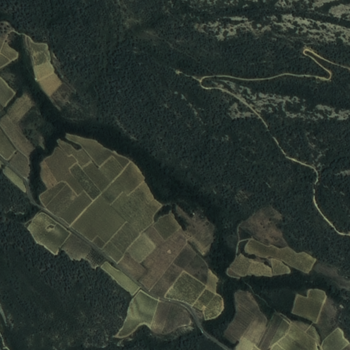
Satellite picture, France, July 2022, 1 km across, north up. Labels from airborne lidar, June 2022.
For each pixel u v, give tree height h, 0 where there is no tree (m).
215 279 0
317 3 0
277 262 0
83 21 7
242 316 0
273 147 11
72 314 6
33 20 8
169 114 12
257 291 13
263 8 10
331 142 7
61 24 14
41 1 9
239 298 0
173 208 10
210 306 0
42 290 6
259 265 0
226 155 12
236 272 0
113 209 0
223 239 15
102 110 10
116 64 14
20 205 8
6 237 17
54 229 0
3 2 18
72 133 8
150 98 9
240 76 8
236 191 13
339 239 11
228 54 7
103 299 8
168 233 0
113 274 0
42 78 0
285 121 8
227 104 10
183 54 7
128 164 0
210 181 9
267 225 0
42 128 9
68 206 0
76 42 11
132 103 12
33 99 8
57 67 0
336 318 0
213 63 8
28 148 0
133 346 7
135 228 0
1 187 7
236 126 8
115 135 7
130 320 0
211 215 11
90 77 13
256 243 0
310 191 10
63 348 7
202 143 8
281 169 8
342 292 12
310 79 10
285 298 6
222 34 0
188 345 15
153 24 11
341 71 8
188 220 0
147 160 14
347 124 9
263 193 13
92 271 12
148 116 10
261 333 0
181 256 0
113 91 11
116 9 8
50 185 0
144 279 0
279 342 0
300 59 10
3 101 0
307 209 8
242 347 0
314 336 0
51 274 14
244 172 11
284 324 0
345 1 0
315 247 13
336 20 11
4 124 0
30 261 14
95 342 10
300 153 9
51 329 15
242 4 0
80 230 0
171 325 0
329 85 10
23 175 0
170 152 11
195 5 9
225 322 16
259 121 12
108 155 0
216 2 0
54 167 0
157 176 10
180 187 9
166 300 0
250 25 0
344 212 13
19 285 8
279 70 8
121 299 10
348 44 0
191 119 14
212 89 7
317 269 0
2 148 0
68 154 0
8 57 0
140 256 0
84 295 10
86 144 0
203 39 8
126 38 11
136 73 12
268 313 7
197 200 23
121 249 0
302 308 0
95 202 0
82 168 0
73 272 15
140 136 13
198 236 0
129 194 0
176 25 10
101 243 0
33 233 0
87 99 9
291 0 0
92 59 10
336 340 0
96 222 0
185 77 7
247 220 0
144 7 7
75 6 10
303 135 13
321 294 0
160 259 0
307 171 8
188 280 0
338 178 10
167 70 6
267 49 12
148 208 0
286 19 0
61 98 0
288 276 14
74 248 0
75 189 0
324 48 8
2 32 11
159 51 8
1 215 12
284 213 9
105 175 0
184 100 0
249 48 11
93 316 9
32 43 0
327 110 0
